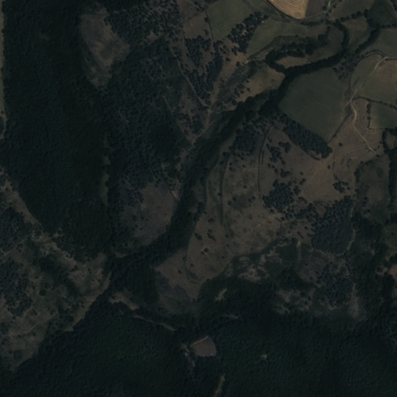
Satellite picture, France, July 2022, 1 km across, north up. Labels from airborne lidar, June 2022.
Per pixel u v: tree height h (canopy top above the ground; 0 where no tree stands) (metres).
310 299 14
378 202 0
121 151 16
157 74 12
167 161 10
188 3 0
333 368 19
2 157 19
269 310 12
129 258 22
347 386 17
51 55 18
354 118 0
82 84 22
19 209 0
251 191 0
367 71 0
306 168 0
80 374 24
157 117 9
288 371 17
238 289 9
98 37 0
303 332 16
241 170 0
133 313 21
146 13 13
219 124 9
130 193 13
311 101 0
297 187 11
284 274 15
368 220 22
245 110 22
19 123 23
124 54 0
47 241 0
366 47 12
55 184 21
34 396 16
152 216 0
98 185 18
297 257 0
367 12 12
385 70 0
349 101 0
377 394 14
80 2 21
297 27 0
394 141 0
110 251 15
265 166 0
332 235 16
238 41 9
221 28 0
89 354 22
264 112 13
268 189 0
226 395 22
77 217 8
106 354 20
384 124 0
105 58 0
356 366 17
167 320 19
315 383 19
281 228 0
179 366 30
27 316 0
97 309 18
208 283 8
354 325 8
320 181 0
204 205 15
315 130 0
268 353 12
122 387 10
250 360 13
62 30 18
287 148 15
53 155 24
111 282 7
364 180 0
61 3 23
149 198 0
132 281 26
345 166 0
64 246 12
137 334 14
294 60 0
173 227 17
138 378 18
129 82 9
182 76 6
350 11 0
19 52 13
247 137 16
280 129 0
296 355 15
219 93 0
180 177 13
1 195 11
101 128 16
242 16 0
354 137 0
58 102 27
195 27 0
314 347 15
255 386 18
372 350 16
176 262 0
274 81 0
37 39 24
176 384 21
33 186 17
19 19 21
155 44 9
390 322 21
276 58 17
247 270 0
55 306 0
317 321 19
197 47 13
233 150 10
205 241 0
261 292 12
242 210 0
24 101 22
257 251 0
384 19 0
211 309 19
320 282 16
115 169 22
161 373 28
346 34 13
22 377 22
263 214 0
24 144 13
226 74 0
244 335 21
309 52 14
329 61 18
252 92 0
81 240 17
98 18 0
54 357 25
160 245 25
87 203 18
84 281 0
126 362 15
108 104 14
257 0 0
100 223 20
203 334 22
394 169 14
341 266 0
